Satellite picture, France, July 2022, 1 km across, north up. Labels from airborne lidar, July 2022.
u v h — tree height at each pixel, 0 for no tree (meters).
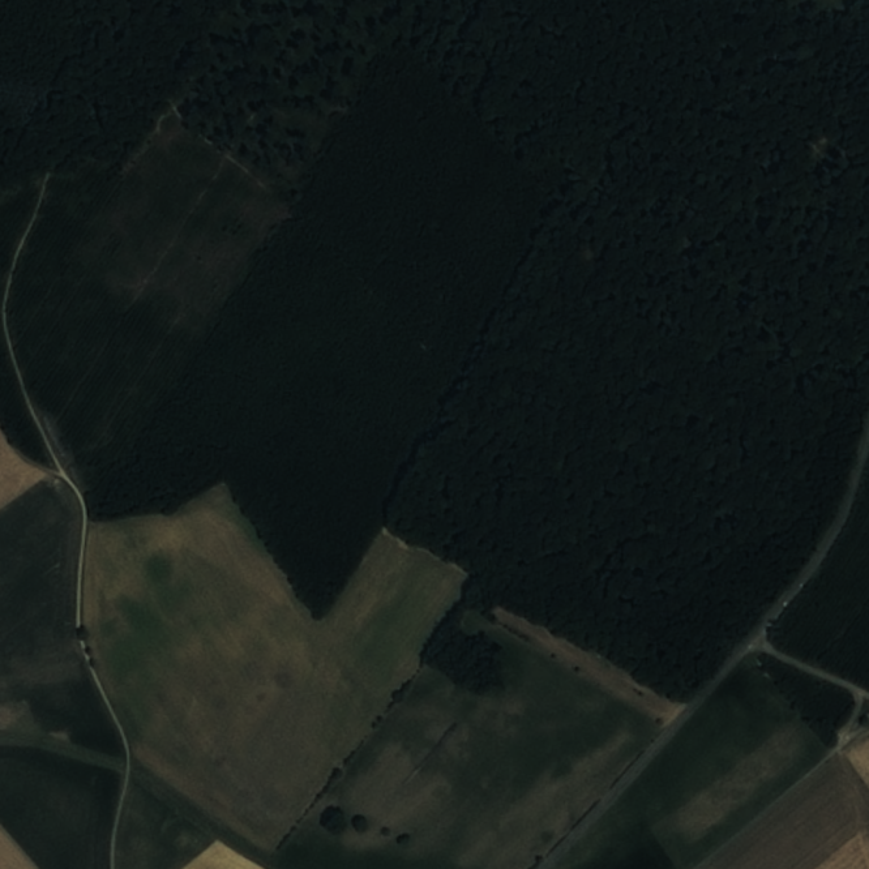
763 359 31
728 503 27
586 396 26
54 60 17
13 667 0
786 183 29
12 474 0
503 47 28
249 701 0
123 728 0
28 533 0
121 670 0
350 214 9
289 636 0
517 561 28
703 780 0
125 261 0
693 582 28
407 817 0
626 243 30
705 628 27
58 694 0
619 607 30
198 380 8
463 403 26
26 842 0
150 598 0
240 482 11
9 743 0
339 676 0
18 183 27
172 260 0
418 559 0
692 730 0
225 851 0
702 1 31
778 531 25
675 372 25
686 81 27
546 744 0
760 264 30
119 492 12
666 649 27
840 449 24
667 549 30
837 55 19
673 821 0
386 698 0
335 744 0
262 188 0
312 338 7
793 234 27
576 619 26
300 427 11
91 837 0
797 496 27
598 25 32
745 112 31
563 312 22
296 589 11
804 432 28
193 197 0
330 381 9
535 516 33
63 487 0
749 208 25
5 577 0
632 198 24
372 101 11
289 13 24
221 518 0
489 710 0
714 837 0
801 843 0
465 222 9
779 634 10
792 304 31
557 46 26
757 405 32
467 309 10
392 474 10
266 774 0
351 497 13
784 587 21
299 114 23
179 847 0
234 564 0
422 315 9
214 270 0
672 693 21
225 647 0
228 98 28
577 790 0
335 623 0
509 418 29
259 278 9
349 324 7
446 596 0
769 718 0
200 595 0
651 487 26
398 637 0
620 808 0
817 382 31
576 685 0
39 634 0
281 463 14
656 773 0
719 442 27
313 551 14
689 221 30
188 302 0
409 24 27
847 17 18
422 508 29
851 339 30
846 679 11
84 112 26
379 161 10
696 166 27
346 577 13
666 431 33
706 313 27
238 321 8
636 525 31
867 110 27
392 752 0
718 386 28
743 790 0
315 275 9
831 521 18
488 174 10
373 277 8
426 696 0
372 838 0
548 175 12
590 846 0
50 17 20
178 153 0
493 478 25
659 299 30
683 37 30
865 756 0
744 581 25
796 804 0
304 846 0
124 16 25
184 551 0
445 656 22
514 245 10
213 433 10
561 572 31
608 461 32
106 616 0
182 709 0
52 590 0
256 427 9
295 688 0
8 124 22
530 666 0
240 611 0
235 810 0
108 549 0
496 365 27
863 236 27
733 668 0
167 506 14
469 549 28
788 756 0
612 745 0
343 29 27
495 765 0
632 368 26
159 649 0
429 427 9
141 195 0
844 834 0
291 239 9
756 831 0
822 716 7
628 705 0
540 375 25
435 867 0
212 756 0
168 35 28
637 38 30
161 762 0
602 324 26
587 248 26
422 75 11
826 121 29
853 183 30
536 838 0
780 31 28
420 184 9
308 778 0
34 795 0
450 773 0
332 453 12
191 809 0
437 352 8
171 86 29
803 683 7
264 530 18
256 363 8
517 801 0
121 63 30
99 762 0
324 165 8
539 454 31
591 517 26
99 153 28
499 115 28
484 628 0
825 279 30
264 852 0
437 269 9
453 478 28
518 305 21
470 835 0
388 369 9
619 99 30
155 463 13
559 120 24
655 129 30
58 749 0
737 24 28
